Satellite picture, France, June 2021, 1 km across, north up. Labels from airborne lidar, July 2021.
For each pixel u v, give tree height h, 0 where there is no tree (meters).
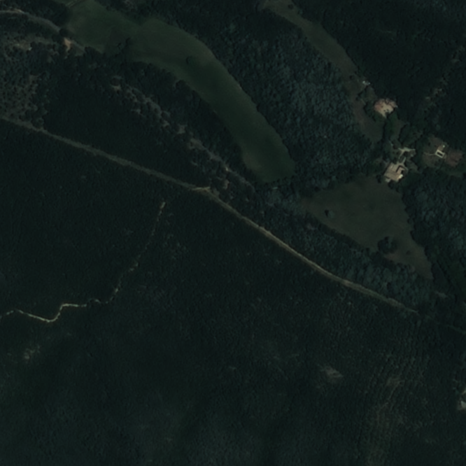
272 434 14
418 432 7
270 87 16
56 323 7
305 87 26
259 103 14
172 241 9
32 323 8
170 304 12
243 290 11
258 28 14
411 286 15
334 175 21
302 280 12
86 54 11
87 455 12
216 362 9
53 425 11
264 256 10
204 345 12
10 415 9
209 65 0
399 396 8
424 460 8
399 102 15
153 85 11
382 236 0
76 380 8
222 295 11
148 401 8
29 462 11
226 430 9
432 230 18
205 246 11
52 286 8
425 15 19
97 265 12
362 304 11
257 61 13
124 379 7
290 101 12
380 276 23
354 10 16
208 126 14
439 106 17
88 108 14
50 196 11
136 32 0
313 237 13
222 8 14
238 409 9
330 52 0
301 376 14
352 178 18
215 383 12
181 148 16
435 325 10
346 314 10
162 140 13
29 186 13
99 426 10
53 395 13
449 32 17
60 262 10
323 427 9
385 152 28
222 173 10
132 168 10
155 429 7
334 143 20
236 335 8
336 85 26
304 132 19
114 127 12
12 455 10
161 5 20
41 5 12
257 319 8
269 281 10
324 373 6
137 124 14
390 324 12
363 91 9
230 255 11
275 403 8
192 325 10
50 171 11
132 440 10
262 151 0
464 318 10
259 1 23
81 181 9
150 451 6
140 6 8
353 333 8
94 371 12
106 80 16
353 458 12
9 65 20
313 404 10
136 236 10
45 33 10
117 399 9
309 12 17
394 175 0
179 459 11
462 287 17
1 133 12
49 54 14
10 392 8
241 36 19
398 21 19
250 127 0
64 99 10
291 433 9
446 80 16
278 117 23
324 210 0
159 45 0
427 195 21
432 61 19
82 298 12
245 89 14
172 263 8
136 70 10
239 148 11
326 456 12
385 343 8
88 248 10
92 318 12
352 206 0
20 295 8
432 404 8
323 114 22
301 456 7
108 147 13
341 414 10
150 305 9
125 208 11
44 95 7
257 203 13
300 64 26
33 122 11
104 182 8
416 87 20
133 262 10
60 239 8
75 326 11
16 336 9
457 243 23
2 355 7
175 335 10
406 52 17
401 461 7
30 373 11
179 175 10
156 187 9
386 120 13
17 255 8
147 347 8
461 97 20
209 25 12
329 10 16
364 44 19
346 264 14
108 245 10
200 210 12
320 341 8
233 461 8
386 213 0
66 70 14
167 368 8
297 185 14
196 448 9
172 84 8
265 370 11
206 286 10
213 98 0
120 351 9
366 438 6
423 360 10
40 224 12
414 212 11
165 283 12
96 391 13
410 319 15
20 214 8
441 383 11
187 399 8
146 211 11
